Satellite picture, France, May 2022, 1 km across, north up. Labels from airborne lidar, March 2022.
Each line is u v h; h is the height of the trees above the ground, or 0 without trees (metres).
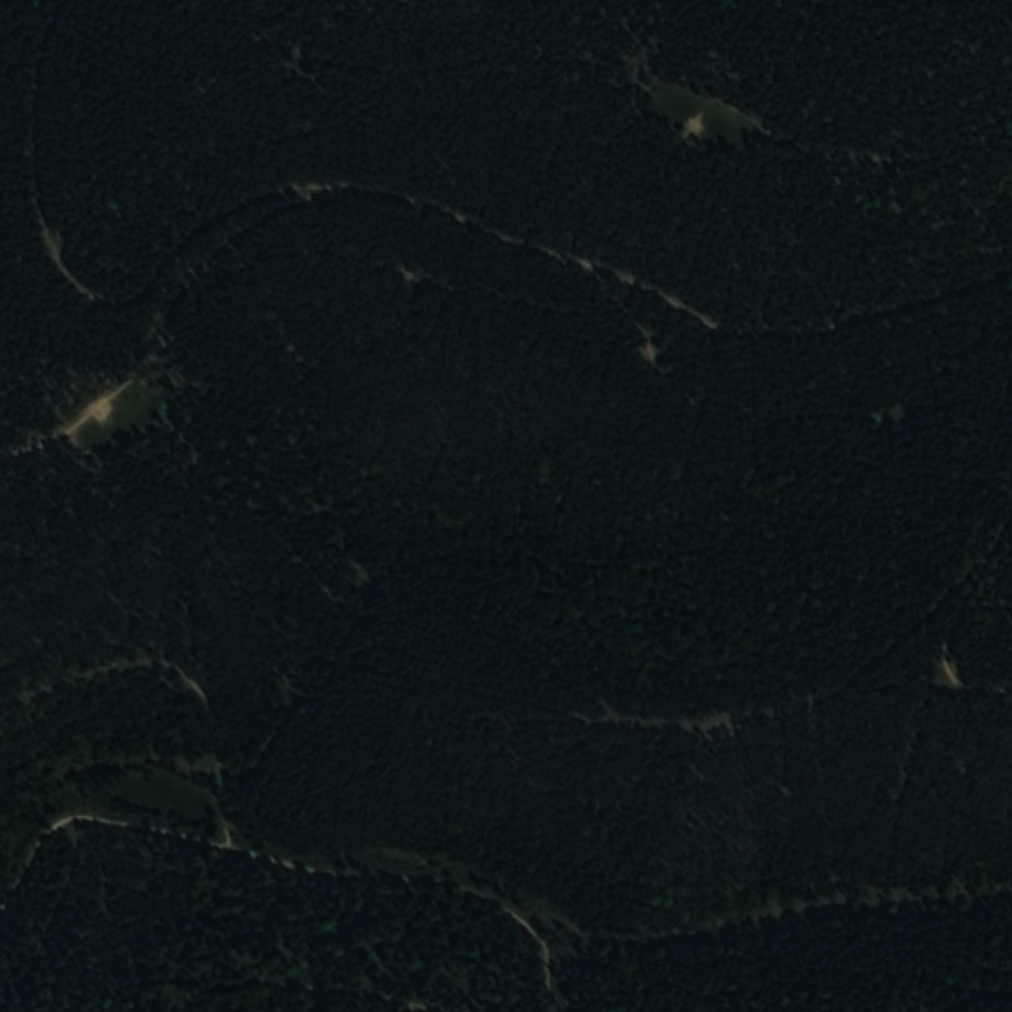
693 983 25
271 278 27
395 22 17
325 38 23
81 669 22
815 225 23
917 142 23
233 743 23
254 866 21
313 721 27
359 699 24
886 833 20
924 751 17
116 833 6
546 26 28
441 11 21
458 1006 37
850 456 28
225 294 28
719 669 29
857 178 29
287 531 29
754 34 29
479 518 23
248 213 26
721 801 24
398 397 20
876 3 28
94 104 24
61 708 14
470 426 25
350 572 30
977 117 20
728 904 27
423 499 21
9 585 23
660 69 22
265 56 23
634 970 27
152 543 25
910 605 23
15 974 15
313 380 29
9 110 22
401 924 16
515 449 24
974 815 20
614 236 21
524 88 23
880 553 27
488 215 19
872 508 27
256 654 28
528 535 22
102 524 24
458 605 28
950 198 21
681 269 23
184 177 27
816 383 25
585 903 26
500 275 23
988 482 28
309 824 15
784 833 19
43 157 22
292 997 12
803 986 23
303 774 24
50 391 29
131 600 20
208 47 25
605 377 25
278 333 32
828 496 24
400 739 19
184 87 24
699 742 19
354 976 17
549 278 25
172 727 19
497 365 23
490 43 26
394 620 30
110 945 7
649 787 21
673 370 24
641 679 23
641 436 22
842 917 25
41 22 23
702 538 34
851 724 20
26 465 24
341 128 21
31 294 23
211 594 26
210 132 22
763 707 20
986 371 25
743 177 24
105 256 22
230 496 29
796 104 23
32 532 26
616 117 20
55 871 11
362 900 15
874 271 26
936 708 25
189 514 27
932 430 23
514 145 21
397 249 25
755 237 27
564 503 26
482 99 21
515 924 15
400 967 23
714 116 0
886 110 20
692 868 29
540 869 24
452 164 21
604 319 21
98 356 25
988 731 26
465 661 24
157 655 13
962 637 21
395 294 25
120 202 23
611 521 23
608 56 26
